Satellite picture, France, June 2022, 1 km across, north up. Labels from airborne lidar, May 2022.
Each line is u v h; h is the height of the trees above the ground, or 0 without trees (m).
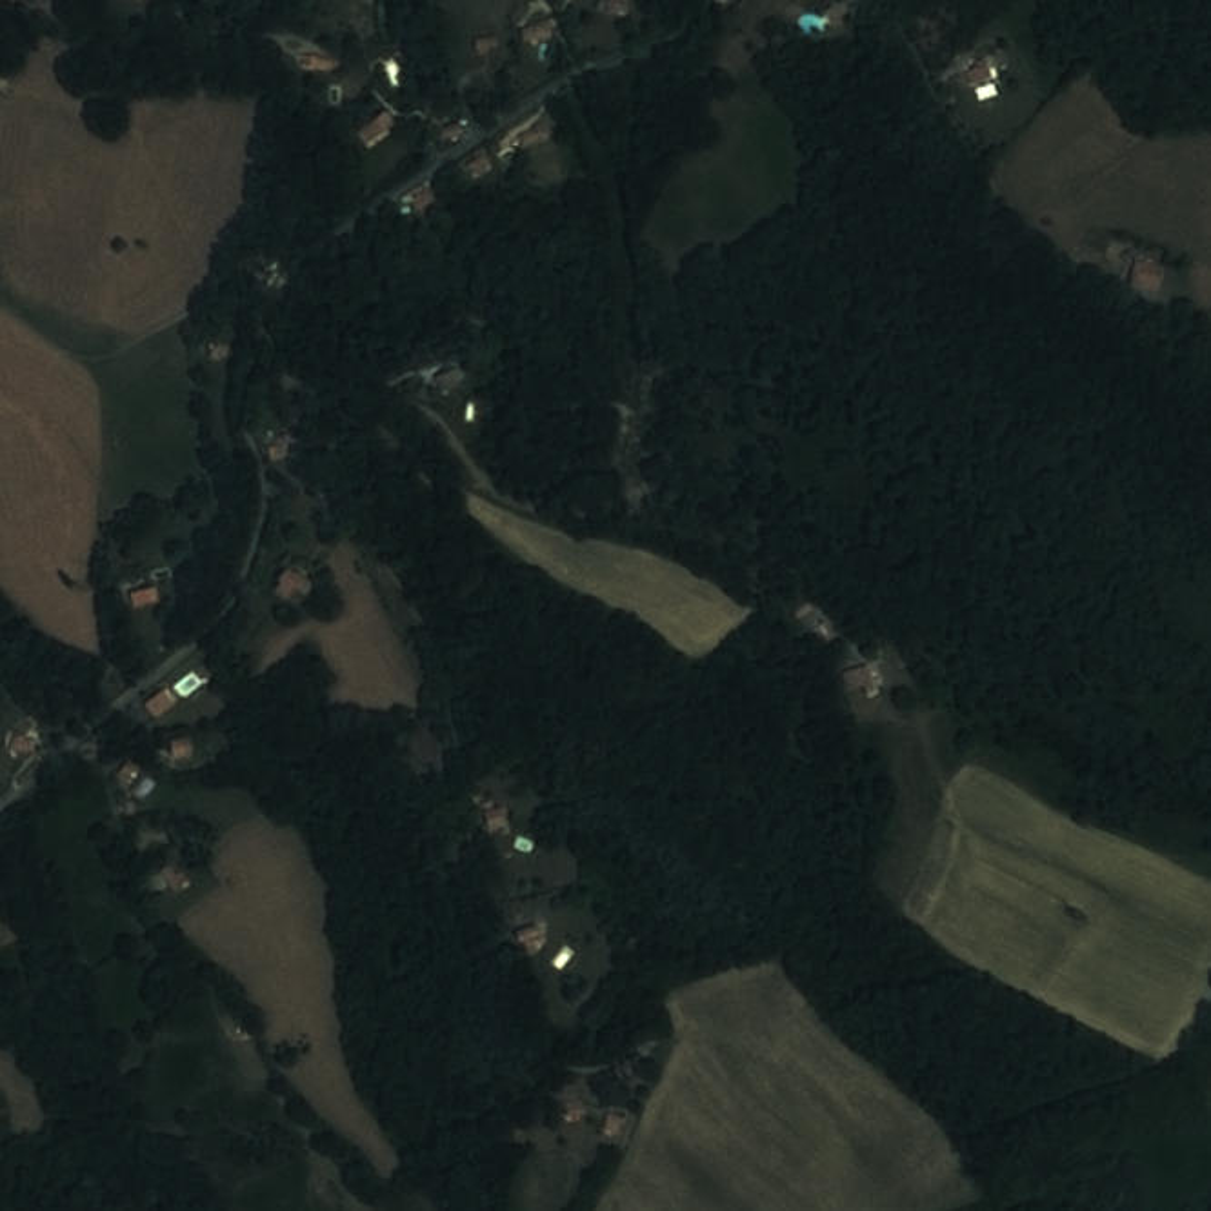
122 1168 29
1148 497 17
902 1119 0
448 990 21
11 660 19
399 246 22
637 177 25
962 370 21
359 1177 17
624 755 28
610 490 21
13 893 19
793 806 23
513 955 27
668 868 18
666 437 10
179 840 16
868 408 10
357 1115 0
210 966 12
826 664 22
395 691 0
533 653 27
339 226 9
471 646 26
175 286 0
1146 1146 0
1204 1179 0
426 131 14
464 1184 28
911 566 28
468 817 19
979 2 13
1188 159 0
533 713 25
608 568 0
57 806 12
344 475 23
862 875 19
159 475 0
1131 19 23
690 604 0
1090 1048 25
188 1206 17
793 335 9
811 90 19
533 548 0
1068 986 0
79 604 0
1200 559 13
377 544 21
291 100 23
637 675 16
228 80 24
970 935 0
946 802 0
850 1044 9
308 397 18
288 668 22
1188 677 20
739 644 20
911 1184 0
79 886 0
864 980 10
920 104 21
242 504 24
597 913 11
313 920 0
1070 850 0
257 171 16
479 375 8
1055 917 0
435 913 21
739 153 0
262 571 8
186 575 23
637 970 11
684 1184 0
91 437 0
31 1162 24
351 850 31
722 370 18
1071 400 18
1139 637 34
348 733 19
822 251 24
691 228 0
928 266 18
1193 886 0
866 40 17
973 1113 39
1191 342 18
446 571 26
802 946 29
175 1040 0
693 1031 0
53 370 0
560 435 27
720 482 23
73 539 0
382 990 29
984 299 21
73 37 17
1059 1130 23
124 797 9
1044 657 20
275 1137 7
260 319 18
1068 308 23
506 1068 14
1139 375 21
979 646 20
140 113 0
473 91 8
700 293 25
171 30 22
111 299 0
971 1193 0
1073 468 17
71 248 0
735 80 18
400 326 26
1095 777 28
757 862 29
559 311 22
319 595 17
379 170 0
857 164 20
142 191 0
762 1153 0
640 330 21
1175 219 0
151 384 0
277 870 0
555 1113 17
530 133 0
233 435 7
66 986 22
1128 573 21
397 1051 26
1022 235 20
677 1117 0
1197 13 23
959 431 22
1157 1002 0
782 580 14
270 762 27
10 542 0
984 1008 26
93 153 0
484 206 22
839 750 20
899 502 10
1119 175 0
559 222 15
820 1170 0
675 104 24
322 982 0
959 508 36
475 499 0
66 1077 27
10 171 0
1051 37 11
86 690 23
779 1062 0
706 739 12
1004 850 0
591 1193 6
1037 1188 0
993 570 31
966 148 17
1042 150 0
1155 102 24
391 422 15
